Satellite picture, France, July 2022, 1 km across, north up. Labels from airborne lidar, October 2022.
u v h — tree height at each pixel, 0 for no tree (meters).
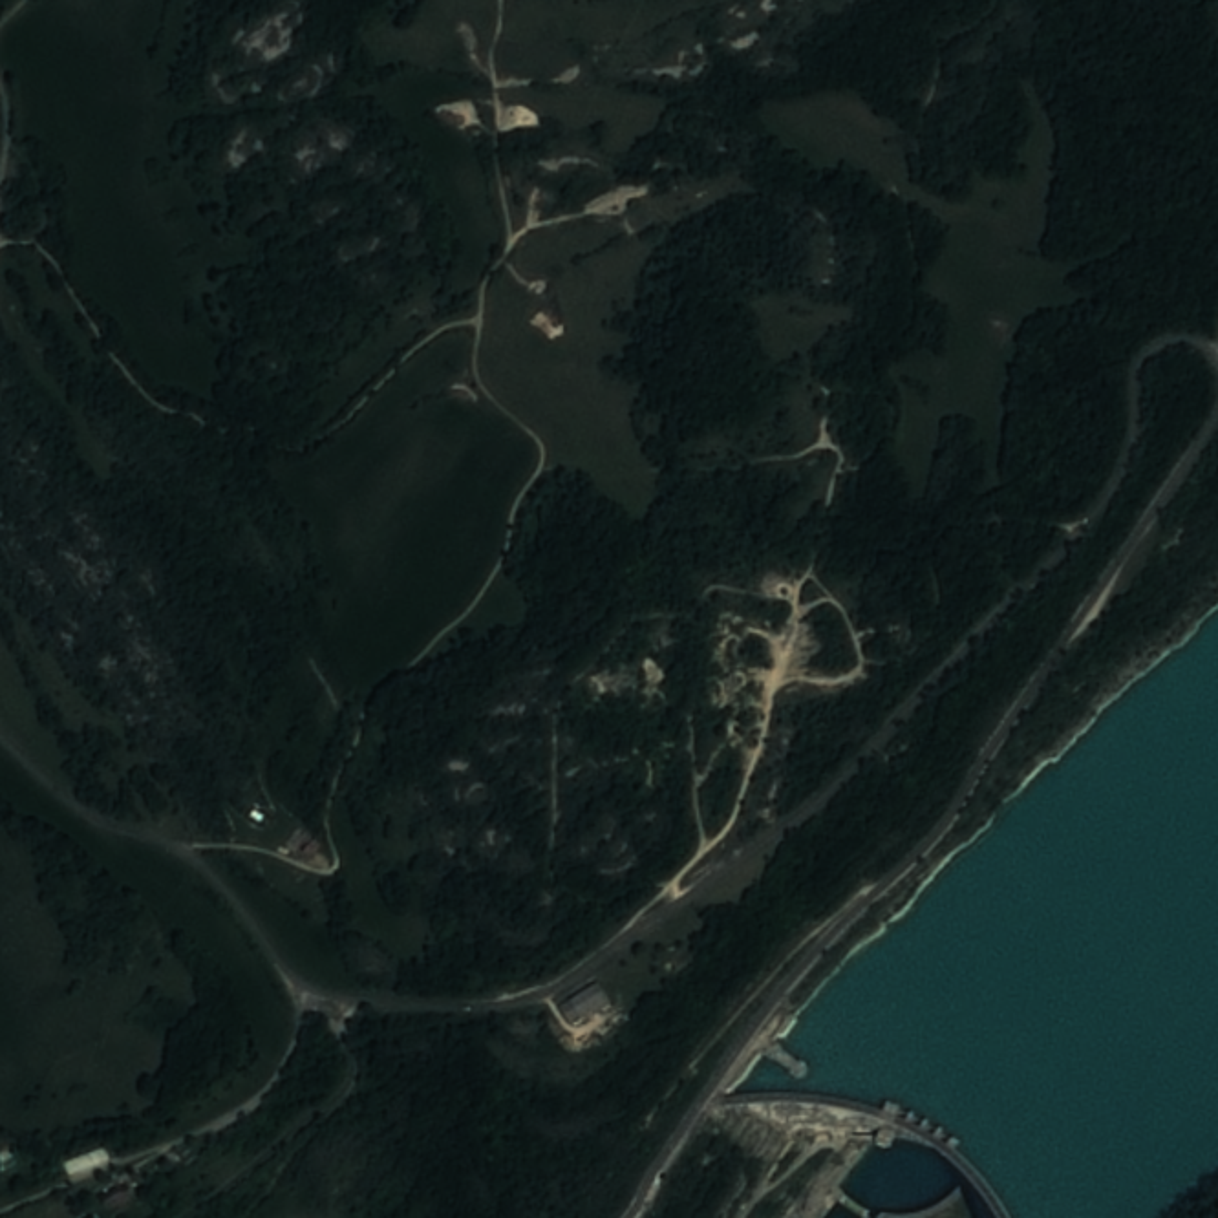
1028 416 15
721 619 13
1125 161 15
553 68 0
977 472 11
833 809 12
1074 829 0
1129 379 10
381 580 0
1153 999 0
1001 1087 0
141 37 0
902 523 17
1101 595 0
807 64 10
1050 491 12
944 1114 0
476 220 0
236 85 11
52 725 8
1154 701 0
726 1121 0
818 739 7
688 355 11
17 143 8
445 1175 13
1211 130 11
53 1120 0
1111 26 11
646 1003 14
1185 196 13
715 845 0
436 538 0
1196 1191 8
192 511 7
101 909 6
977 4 13
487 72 0
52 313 11
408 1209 10
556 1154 9
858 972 0
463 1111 17
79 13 0
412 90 0
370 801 6
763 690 0
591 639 14
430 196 12
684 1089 7
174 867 0
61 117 0
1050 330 14
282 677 5
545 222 0
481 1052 10
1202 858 0
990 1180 0
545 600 13
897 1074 0
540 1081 7
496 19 0
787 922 12
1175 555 7
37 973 0
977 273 0
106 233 0
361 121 11
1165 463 10
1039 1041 0
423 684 16
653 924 0
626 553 13
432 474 0
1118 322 16
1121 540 7
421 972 16
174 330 0
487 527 0
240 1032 9
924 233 10
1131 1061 0
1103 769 0
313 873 0
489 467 0
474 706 7
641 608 8
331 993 0
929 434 0
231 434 7
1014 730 7
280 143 9
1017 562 12
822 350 13
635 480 0
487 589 0
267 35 0
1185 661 0
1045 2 14
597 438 0
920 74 6
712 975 14
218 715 11
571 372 0
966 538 14
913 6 13
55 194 12
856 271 11
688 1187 8
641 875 13
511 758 6
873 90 19
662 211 0
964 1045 0
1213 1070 0
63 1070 0
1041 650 14
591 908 11
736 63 8
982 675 13
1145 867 0
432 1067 12
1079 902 0
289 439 11
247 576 8
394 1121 10
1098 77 17
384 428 0
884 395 7
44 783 0
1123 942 0
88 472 12
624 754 9
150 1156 0
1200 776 0
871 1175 0
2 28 0
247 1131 7
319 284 13
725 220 10
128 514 7
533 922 8
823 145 0
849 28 9
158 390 11
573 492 11
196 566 7
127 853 0
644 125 0
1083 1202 0
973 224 0
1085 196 15
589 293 0
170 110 0
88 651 10
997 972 0
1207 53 10
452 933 7
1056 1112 0
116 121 0
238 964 0
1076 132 14
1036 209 0
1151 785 0
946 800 8
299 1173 12
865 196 18
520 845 7
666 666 8
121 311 0
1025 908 0
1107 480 10
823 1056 0
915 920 0
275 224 10
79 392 7
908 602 10
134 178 0
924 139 8
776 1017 0
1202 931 0
